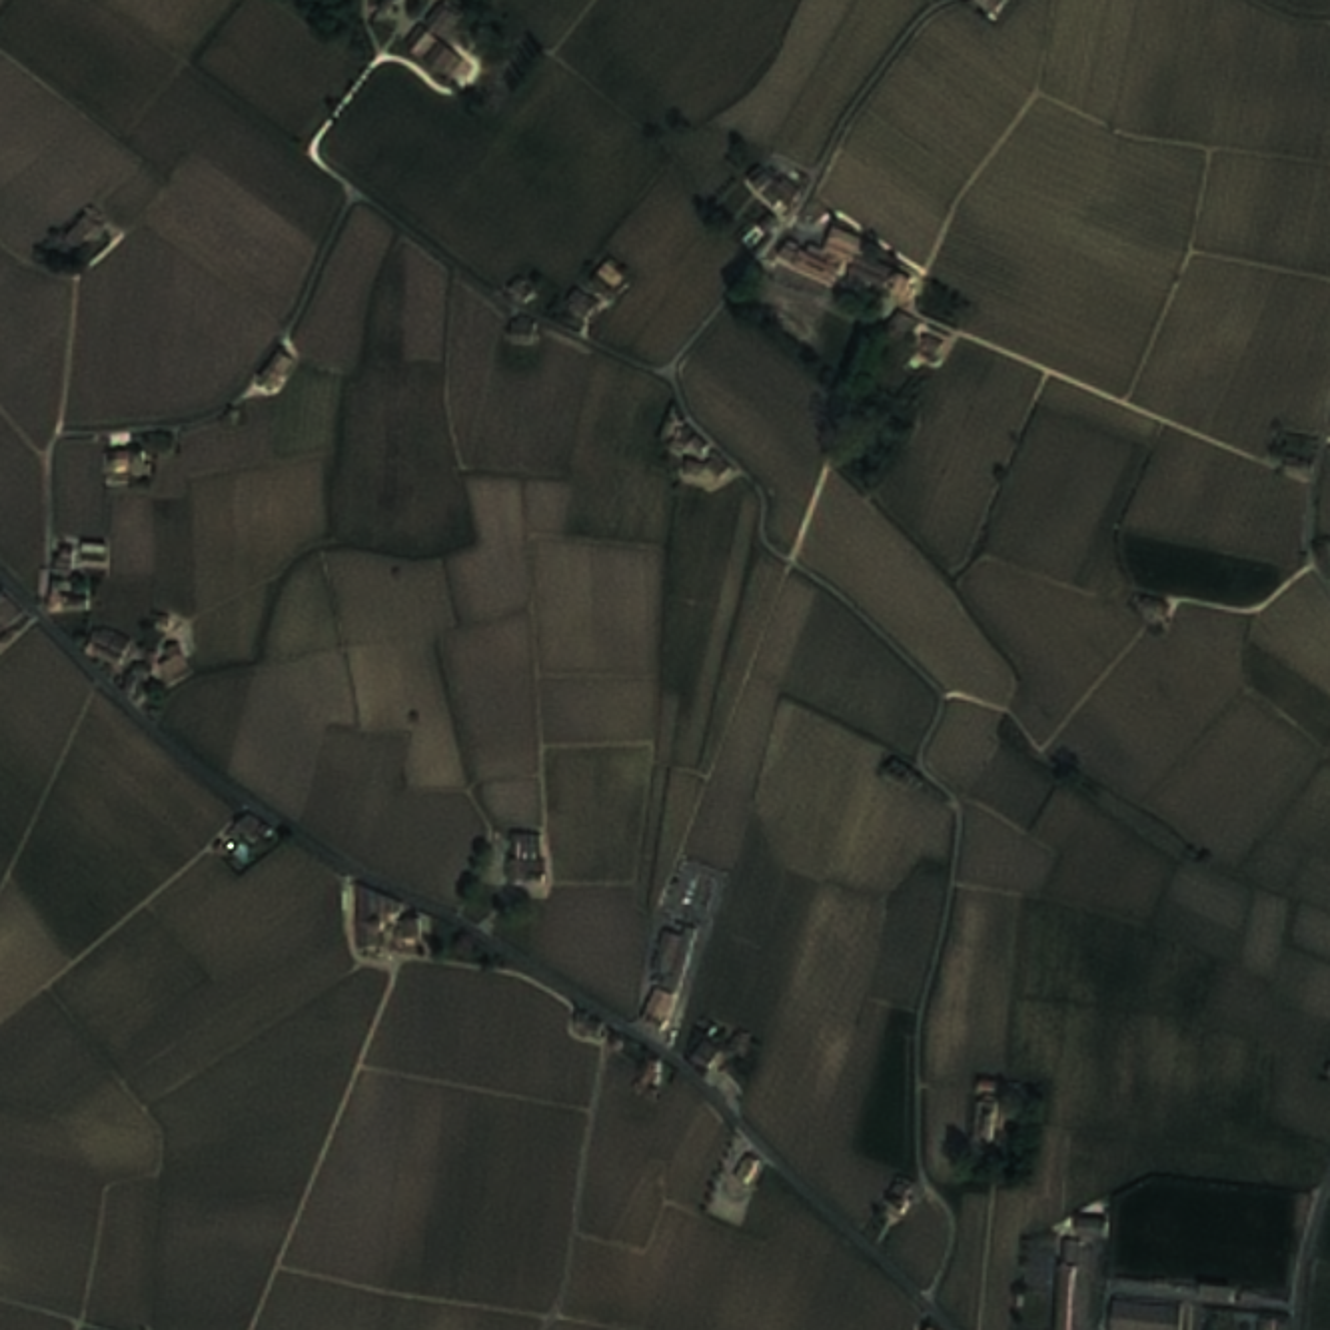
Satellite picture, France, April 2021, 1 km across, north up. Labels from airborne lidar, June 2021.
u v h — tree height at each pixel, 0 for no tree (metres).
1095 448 0
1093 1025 0
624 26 0
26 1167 0
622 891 0
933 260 0
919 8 0
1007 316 0
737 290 22
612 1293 0
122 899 0
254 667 0
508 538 0
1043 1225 0
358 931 0
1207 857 9
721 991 0
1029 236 0
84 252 12
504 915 17
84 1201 0
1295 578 0
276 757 0
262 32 0
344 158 0
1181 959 0
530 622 0
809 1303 0
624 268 5
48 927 0
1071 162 0
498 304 0
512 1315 0
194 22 0
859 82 0
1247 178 0
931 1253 0
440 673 0
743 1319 0
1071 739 0
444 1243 0
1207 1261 0
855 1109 0
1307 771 0
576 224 0
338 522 0
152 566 0
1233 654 0
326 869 0
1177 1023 0
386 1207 0
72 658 0
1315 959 0
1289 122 0
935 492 0
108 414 0
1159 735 0
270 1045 0
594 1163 0
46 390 0
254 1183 0
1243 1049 0
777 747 0
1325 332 0
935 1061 0
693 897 0
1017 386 0
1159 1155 0
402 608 0
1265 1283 0
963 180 0
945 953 0
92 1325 0
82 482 0
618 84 0
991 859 0
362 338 0
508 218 0
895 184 0
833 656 0
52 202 0
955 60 0
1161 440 0
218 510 0
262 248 0
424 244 0
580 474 0
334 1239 0
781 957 0
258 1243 0
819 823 0
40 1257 0
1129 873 0
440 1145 0
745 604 0
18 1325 0
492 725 0
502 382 0
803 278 0
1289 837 0
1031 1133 18
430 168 0
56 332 0
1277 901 0
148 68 0
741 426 0
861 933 0
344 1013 0
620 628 0
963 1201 0
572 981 0
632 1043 9
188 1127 0
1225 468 0
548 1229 0
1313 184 0
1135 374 0
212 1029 0
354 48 12
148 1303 0
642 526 0
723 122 0
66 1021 0
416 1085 0
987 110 0
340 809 0
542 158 0
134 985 0
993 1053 0
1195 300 0
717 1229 0
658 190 0
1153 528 0
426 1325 0
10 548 0
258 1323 0
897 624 0
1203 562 0
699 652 0
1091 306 0
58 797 0
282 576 0
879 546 0
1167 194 0
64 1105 0
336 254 0
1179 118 0
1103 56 0
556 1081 0
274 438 0
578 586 0
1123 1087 0
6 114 0
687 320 0
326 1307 0
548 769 0
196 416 0
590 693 0
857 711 0
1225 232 0
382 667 0
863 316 13
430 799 0
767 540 0
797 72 0
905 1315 0
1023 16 0
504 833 0
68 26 0
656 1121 0
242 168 0
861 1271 0
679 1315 0
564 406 0
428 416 0
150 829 0
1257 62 0
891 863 0
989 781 0
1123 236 0
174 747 0
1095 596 0
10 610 0
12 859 0
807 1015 0
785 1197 0
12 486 0
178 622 0
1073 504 0
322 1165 0
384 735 0
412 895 0
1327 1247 0
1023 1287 9
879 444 14
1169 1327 0
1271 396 0
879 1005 0
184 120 0
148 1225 0
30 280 0
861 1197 0
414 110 0
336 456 0
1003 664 0
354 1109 0
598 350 0
